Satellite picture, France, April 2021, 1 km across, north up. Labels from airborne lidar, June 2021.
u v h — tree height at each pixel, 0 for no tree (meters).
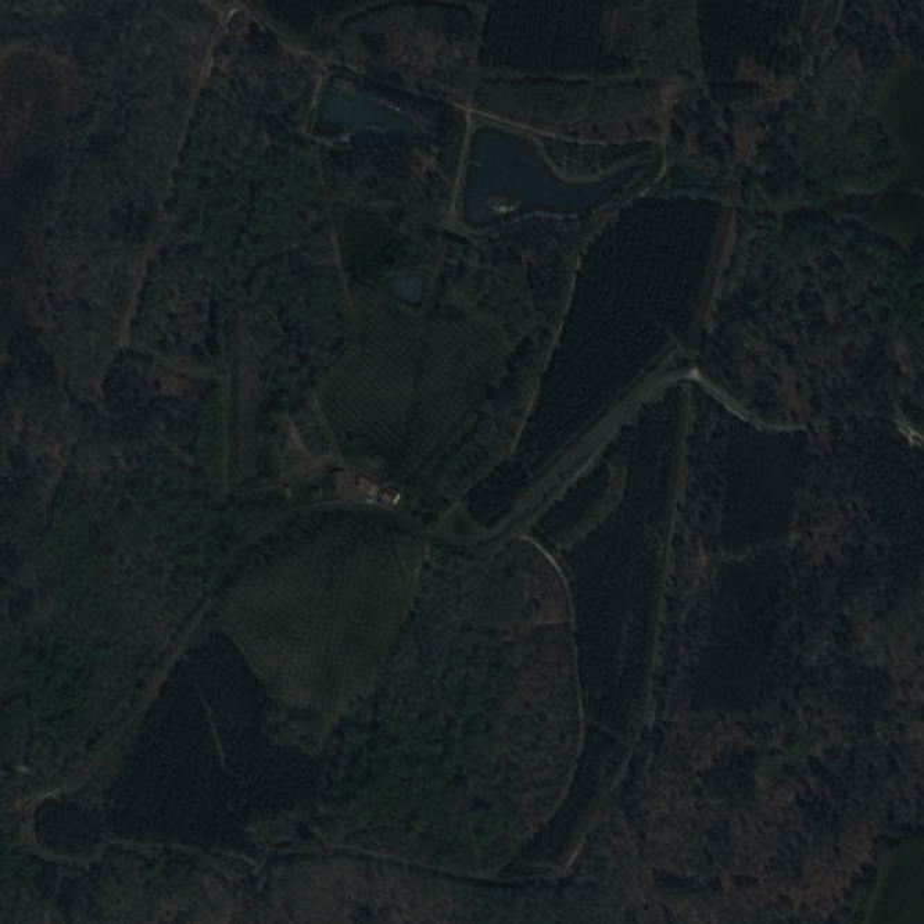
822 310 26
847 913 9
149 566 14
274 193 17
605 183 0
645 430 14
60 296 5
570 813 10
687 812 8
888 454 17
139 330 11
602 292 13
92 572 14
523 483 14
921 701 30
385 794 27
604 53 13
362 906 13
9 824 15
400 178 24
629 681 10
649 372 8
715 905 16
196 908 18
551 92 12
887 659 16
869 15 15
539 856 12
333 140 9
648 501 14
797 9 12
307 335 20
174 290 14
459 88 9
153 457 14
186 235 18
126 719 10
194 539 21
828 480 19
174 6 14
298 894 14
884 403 13
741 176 11
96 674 18
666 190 7
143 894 17
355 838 8
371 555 21
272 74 7
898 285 22
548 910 17
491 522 7
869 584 20
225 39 9
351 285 7
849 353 9
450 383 20
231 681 14
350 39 13
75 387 14
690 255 16
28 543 13
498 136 0
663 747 11
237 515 17
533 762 12
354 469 0
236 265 21
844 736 15
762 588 9
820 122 23
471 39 14
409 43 8
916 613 17
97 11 19
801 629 23
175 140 14
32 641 12
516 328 19
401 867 15
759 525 7
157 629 11
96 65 12
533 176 0
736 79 14
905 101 0
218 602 19
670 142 6
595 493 11
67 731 14
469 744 19
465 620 11
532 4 12
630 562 15
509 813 21
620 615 13
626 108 7
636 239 15
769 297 11
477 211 0
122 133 14
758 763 20
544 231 13
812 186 25
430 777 19
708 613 6
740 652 8
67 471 5
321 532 16
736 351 20
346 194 11
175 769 13
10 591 12
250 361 8
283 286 12
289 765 12
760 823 8
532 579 8
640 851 12
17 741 7
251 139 25
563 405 12
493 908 18
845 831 25
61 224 10
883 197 0
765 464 8
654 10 10
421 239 13
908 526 20
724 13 15
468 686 16
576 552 12
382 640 19
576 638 9
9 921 14
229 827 12
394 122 0
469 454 9
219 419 13
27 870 19
